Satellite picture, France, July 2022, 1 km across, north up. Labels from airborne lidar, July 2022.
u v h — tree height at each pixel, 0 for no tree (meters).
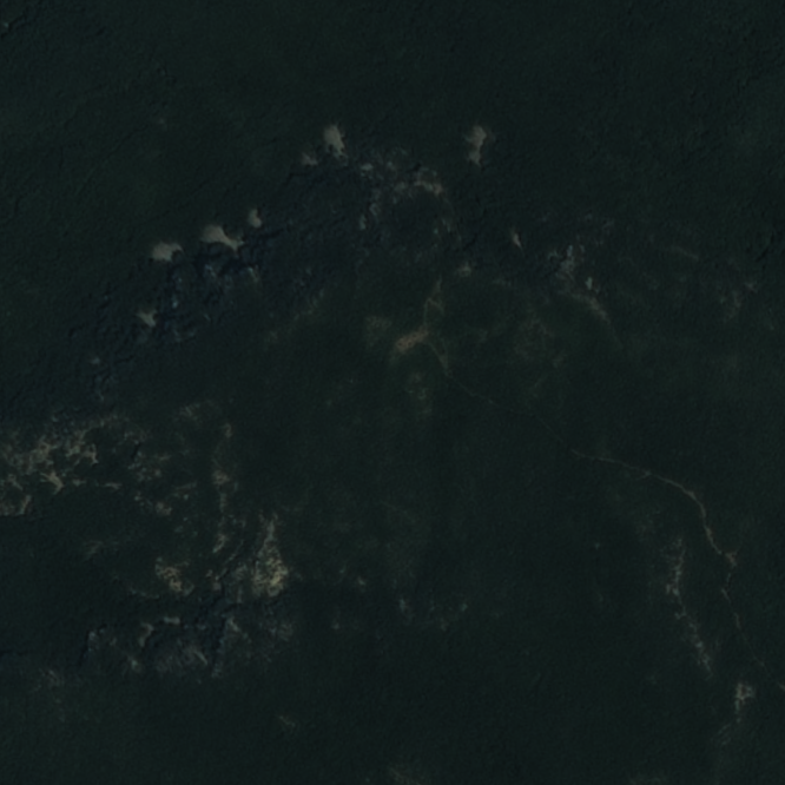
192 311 7
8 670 8
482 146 9
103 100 6
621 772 6
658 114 9
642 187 11
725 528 6
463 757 8
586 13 13
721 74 15
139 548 8
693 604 8
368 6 7
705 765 8
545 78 10
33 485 10
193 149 6
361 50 12
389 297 9
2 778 8
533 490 6
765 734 7
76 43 10
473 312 8
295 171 12
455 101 9
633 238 7
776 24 16
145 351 8
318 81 11
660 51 9
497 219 12
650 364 7
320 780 6
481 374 6
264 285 9
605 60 14
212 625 8
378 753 10
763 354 8
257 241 12
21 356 9
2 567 6
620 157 10
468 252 15
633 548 5
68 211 8
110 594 12
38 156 6
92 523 7
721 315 6
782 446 9
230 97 5
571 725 7
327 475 6
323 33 9
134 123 5
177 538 6
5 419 7
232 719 6
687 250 7
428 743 8
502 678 7
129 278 10
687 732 7
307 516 7
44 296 10
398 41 14
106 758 9
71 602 15
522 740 5
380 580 8
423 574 10
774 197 15
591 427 7
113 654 7
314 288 6
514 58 11
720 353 8
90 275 6
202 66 8
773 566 11
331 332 7
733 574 7
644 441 7
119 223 7
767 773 7
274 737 7
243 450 6
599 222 8
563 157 11
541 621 6
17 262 10
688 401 11
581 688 10
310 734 12
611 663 6
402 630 6
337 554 6
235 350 6
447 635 7
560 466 6
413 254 6
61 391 8
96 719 7
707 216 13
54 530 9
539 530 5
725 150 14
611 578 7
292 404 6
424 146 9
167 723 10
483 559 6
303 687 5
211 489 6
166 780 8
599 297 7
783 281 12
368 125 9
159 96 7
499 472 7
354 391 6
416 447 7
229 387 6
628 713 8
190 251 10
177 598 6
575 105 11
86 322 7
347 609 8
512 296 6
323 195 8
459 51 14
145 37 7
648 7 20
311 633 8
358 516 6
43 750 7
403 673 11
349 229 6
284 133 9
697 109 16
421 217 8
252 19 8
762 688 9
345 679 10
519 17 12
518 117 10
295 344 6
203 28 6
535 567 6
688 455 6
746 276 10
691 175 14
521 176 10
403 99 10
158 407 6
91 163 7
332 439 6
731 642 8
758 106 11
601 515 6
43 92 11
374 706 17
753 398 7
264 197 9
